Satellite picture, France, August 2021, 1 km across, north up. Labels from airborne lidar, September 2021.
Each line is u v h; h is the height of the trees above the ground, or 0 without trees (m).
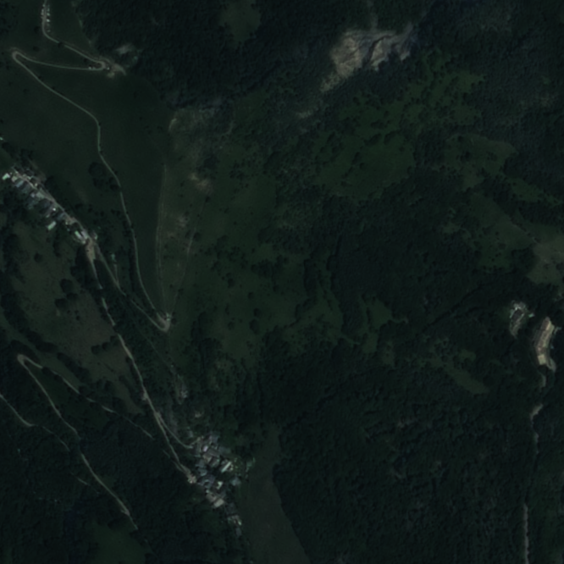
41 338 13
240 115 0
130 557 0
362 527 15
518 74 15
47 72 0
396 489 30
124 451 20
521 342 9
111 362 0
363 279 22
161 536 20
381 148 0
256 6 7
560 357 26
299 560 0
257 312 15
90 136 0
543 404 16
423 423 27
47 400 13
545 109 18
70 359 7
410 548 16
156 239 0
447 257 30
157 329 9
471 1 0
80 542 31
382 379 27
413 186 8
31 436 13
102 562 0
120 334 17
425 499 30
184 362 0
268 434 15
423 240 30
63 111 0
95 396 7
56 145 0
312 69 15
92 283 17
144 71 16
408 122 10
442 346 7
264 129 11
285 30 18
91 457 20
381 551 28
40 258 14
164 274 0
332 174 0
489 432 30
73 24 0
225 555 15
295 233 6
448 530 22
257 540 0
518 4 18
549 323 0
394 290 33
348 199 10
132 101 0
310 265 18
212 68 27
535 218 20
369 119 0
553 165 14
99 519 22
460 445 35
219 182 0
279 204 11
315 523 28
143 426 21
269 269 16
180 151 0
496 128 12
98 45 7
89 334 0
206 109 5
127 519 20
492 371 11
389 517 27
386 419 31
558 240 0
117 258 9
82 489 11
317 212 13
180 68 16
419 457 35
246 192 0
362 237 15
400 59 12
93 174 14
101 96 0
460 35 16
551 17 23
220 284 0
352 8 15
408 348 17
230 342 0
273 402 25
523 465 26
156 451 20
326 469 14
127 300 12
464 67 13
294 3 25
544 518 31
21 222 10
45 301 0
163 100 8
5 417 13
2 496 37
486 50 15
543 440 14
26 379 25
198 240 15
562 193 21
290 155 8
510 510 18
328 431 23
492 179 15
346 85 13
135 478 24
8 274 8
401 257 33
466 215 10
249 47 13
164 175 0
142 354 8
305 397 23
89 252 0
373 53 0
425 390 23
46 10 0
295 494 30
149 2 16
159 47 19
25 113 0
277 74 6
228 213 11
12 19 0
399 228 27
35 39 0
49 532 21
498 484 14
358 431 28
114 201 0
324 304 0
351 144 0
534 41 16
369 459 33
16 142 0
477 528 31
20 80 0
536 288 22
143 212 0
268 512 0
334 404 33
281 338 21
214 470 18
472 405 28
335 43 8
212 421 11
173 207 0
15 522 27
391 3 14
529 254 17
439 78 16
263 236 12
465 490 23
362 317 12
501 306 9
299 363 19
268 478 0
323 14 10
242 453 13
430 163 16
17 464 16
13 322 24
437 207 16
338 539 32
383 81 20
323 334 9
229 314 7
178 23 22
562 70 24
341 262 21
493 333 21
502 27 6
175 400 13
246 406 18
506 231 0
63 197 13
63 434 13
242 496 0
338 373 26
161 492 23
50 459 22
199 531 19
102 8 12
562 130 19
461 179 14
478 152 0
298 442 21
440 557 18
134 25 6
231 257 9
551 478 7
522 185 0
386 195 12
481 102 17
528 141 16
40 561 24
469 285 25
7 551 20
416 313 27
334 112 16
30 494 21
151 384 10
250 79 13
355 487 18
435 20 18
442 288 26
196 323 11
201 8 13
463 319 29
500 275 19
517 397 28
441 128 8
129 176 0
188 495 24
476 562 28
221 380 9
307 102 11
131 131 0
